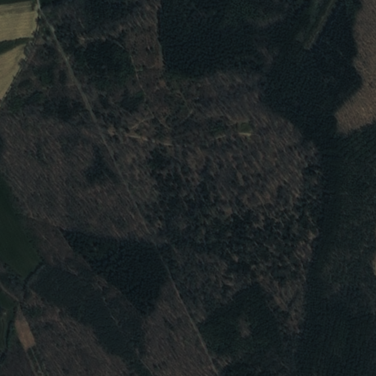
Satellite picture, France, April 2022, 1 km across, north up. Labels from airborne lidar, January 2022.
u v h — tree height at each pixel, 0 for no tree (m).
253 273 25
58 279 16
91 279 13
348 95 17
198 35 22
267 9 23
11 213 0
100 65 13
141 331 10
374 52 0
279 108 33
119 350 15
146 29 8
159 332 0
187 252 29
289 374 23
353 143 17
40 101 11
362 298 20
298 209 8
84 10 30
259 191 24
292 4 24
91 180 22
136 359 14
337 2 0
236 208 25
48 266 16
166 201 17
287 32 31
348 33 25
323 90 22
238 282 26
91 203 23
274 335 23
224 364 18
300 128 31
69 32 14
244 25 29
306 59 23
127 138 22
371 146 20
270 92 29
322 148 26
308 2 16
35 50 28
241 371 12
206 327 17
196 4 23
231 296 27
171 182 8
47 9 25
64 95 7
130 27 31
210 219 9
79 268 10
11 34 0
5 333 0
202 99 6
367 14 0
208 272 29
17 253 0
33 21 0
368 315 17
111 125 24
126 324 10
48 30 0
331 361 19
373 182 16
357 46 26
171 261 19
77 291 17
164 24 27
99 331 14
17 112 12
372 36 0
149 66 8
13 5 0
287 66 26
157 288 32
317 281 25
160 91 8
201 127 10
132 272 38
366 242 14
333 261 14
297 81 25
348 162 11
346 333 18
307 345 29
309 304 23
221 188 29
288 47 30
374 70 0
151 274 30
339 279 17
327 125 27
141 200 24
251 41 31
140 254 32
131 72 12
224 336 23
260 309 21
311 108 25
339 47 19
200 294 28
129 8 10
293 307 27
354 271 17
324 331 30
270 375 8
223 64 27
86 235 24
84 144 21
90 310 16
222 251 8
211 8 23
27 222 7
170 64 30
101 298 19
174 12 22
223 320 17
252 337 16
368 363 18
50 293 20
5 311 0
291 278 29
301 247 29
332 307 21
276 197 21
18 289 21
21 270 0
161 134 9
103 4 29
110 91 12
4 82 0
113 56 12
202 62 29
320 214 36
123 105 8
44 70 12
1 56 0
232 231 30
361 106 0
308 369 25
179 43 23
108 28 31
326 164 25
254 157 29
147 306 6
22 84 8
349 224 18
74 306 21
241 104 29
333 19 9
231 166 25
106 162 22
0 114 10
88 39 31
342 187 16
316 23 20
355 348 21
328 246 28
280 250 28
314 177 28
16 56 0
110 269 29
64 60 8
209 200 10
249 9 19
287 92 27
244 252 30
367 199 18
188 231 14
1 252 0
